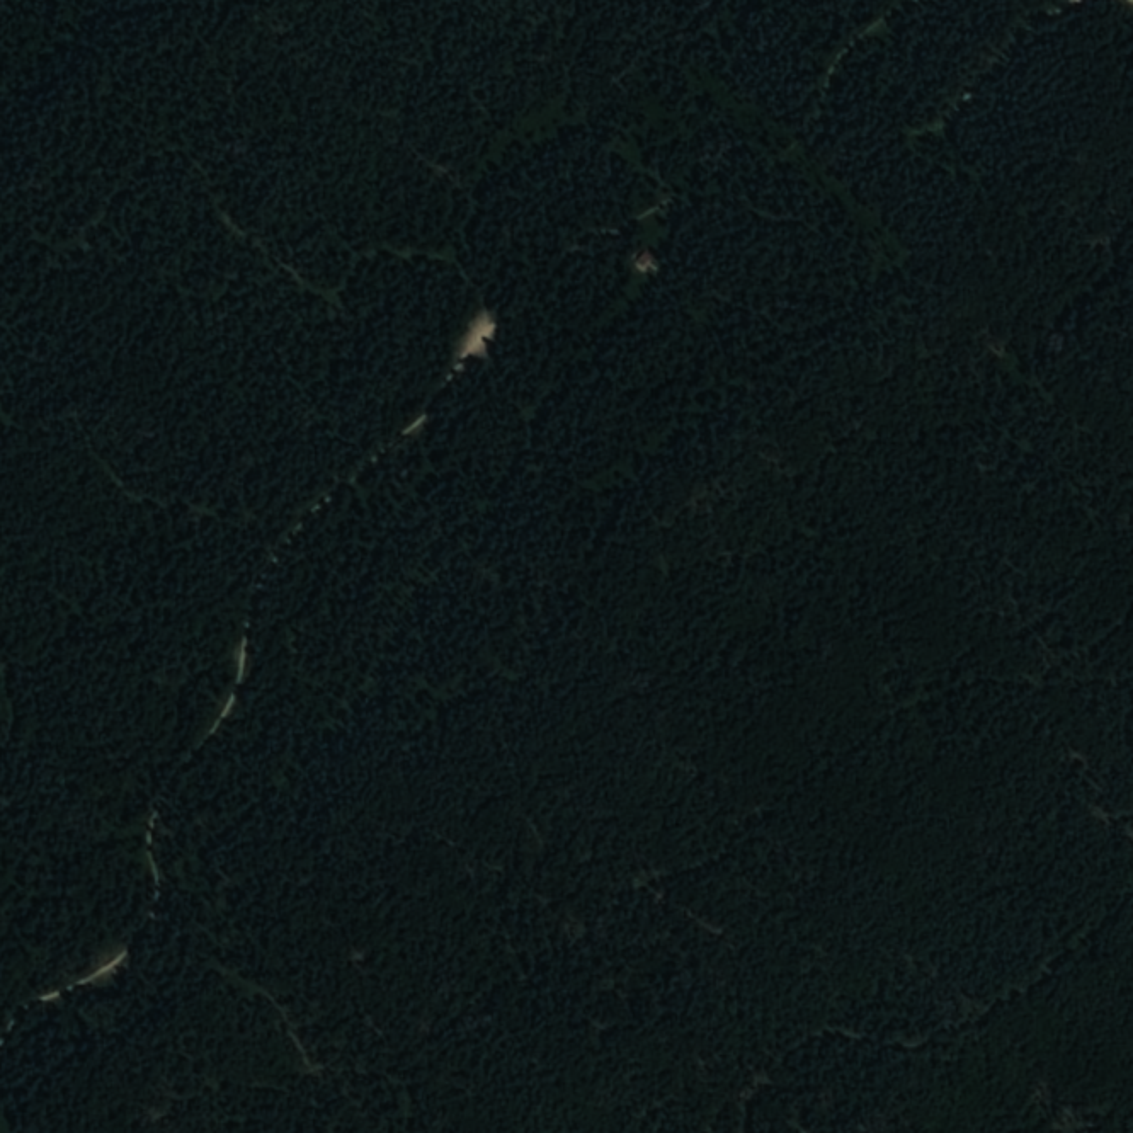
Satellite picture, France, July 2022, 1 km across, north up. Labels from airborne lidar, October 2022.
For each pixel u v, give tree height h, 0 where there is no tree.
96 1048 35
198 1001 24
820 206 7
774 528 15
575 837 25
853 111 25
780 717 19
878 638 14
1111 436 21
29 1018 26
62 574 23
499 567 7
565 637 24
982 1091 14
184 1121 20
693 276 25
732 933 15
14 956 23
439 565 25
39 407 14
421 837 28
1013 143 25
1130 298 29
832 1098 17
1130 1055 24
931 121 21
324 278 13
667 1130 18
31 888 13
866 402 15
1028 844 21
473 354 0
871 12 8
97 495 17
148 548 15
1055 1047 21
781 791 19
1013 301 25
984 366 14
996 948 25
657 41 23
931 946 27
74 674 21
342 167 9
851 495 19
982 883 27
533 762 22
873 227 0
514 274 9
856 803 22
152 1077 19
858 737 16
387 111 16
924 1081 17
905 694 17
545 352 19
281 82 22
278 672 8
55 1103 21
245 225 7
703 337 23
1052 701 21
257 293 12
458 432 30
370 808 19
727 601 24
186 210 18
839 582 30
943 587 23
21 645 21
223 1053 17
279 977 16
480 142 24
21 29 11
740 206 19
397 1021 19
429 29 11
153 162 27
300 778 26
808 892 17
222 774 22
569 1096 13
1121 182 20
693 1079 16
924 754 23
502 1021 19
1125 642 18
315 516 11
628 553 16
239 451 16
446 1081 20
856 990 14
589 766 17
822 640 22
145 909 25
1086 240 19
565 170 20
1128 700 9
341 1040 22
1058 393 21
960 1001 21
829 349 22
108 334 20
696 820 17
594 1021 22
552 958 18
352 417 17
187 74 26
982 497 24
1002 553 23
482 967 19
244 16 20
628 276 17
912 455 12
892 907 20
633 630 8
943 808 20
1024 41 32
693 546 17
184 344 10
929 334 17
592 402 26
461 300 18
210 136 22
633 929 19
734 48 30
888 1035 29
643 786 19
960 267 18
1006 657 20
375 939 18
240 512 21
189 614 21
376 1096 28
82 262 23
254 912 23
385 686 13
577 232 23
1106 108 20
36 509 15
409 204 11
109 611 26
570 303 13
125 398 14
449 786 25
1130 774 24
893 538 27
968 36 28
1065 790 19
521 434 18
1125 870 15
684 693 17
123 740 20
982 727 18
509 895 27
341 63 25
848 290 17
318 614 24
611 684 23
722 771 17
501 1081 16
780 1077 20
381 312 15
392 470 25
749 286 27
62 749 17
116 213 22
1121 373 28
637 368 19
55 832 16
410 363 21
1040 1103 8
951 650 20
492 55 17
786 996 19
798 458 18
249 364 11
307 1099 16
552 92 15
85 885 16
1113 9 28
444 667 22
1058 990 23
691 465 26
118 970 0
